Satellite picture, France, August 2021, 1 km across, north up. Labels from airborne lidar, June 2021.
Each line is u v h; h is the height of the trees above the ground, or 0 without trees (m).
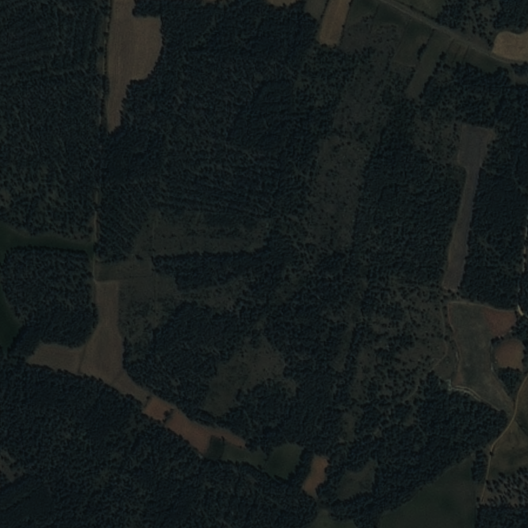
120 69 0
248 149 13
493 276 10
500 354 0
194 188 9
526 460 0
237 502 15
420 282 9
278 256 17
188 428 0
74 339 17
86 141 16
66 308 10
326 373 14
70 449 13
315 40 13
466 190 0
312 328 15
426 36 0
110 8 8
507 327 0
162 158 15
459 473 0
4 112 14
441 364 0
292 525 15
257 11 10
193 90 13
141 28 0
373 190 12
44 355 0
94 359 0
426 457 18
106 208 23
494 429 14
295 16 9
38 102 18
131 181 19
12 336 0
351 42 0
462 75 16
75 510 16
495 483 11
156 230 0
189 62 15
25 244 0
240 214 6
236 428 14
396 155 16
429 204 11
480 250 11
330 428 12
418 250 11
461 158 0
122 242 15
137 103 17
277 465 0
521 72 11
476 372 0
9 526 15
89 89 18
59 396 18
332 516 9
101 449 16
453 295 7
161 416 0
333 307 8
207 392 15
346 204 7
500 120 12
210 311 15
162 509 11
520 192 12
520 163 11
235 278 12
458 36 0
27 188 9
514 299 13
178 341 8
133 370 16
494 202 15
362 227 11
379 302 10
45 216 7
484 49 0
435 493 0
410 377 7
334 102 7
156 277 0
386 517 0
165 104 20
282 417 11
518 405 0
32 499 14
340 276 14
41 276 15
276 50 16
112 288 0
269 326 6
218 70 14
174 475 10
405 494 19
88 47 14
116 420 17
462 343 0
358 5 0
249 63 15
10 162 18
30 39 14
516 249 12
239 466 15
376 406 7
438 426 21
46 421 14
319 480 0
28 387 16
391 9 0
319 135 6
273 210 8
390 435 11
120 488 15
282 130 16
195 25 9
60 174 13
